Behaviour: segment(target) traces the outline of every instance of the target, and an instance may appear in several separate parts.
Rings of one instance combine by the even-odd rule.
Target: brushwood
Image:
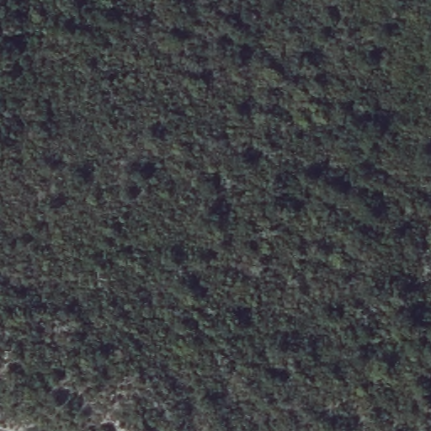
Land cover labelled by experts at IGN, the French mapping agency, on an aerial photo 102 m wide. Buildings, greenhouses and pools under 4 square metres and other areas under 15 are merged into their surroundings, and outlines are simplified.
[[[431,0],[0,0],[0,431],[431,431]]]

